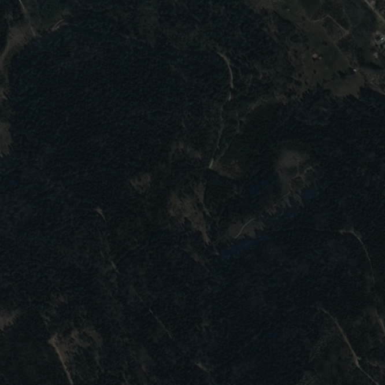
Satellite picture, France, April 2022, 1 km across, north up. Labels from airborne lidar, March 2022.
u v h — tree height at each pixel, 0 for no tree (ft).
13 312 60
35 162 106
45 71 82
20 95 98
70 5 42
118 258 94
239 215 26
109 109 87
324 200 79
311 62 0
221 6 32
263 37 53
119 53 93
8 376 72
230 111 84
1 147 0
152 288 84
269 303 73
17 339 71
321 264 73
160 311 77
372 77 0
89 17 68
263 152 52
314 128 54
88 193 88
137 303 79
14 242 94
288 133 60
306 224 87
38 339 62
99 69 97
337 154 72
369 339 63
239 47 93
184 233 82
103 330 84
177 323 109
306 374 78
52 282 79
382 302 60
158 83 98
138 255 71
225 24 34
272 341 70
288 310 34
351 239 67
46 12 109
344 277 53
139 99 98
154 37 31
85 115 75
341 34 0
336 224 90
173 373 98
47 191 30
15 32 0
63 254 79
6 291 80
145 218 92
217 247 21
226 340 94
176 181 83
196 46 58
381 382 42
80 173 89
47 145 71
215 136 65
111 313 93
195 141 80
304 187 0
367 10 62
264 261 78
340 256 74
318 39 0
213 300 81
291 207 0
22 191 92
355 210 70
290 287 90
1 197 91
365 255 50
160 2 67
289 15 0
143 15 53
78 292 86
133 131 79
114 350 80
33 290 78
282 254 77
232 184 74
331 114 48
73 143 94
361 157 65
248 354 69
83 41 58
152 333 73
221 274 97
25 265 78
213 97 69
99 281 82
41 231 71
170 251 99
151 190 74
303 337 70
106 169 74
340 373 44
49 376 65
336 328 51
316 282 50
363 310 64
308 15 0
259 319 83
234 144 63
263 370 76
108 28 90
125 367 61
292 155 0
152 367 89
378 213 61
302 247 73
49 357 54
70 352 0
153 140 87
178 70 100
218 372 81
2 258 79
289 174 0
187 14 75
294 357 65
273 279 56
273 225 109
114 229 85
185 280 95
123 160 93
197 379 85
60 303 22
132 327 82
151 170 83
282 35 77
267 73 56
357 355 44
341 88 0
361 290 71
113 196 92
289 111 94
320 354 54
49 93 93
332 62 0
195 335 78
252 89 57
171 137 98
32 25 73
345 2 73
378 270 62
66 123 72
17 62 81
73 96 85
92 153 99
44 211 94
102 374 53
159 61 90
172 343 64
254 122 45
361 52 64
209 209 52
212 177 87
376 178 53
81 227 93
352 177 55
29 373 74
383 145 44
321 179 35
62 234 70
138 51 97
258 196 110
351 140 46
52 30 0
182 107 59
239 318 83
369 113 50
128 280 99
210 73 62
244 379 97
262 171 52
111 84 77
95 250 86
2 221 75
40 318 67
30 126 69
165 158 77
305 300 56
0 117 21
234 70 85
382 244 62
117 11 45
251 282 73
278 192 110
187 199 75
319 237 83
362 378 57
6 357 84
